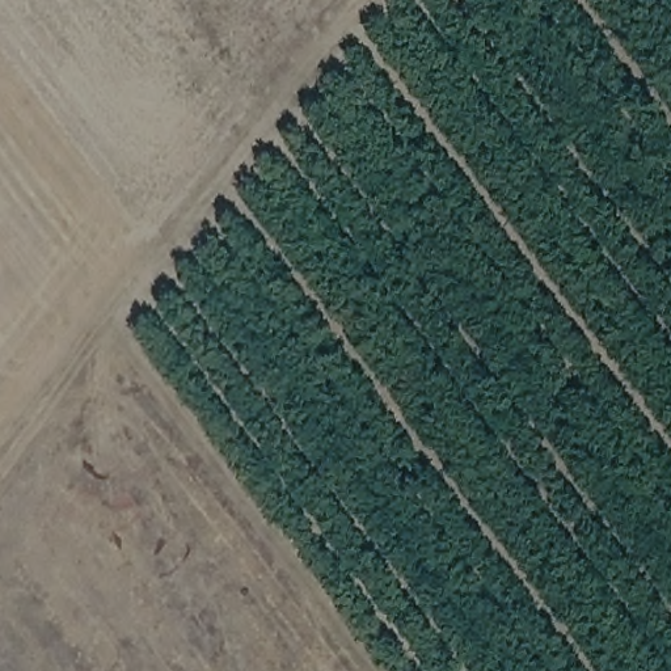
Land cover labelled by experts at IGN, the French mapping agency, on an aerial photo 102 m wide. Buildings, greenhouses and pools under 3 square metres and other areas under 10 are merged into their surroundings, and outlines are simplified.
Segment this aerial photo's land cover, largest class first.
<instances>
[{"label":"deciduous trees","instance_id":"1","mask_svg":"<svg viewBox=\"0 0 671 671\"><path fill-rule=\"evenodd\" d=\"M367 34L377 42L385 60H391L398 68L406 86L425 102L432 121L467 157V163L474 168V173L488 186L493 199L501 204L503 215L516 225L529 249L540 257V265L561 286L571 307L590 322L600 343L621 364L634 388H640V393L645 396L647 406L671 432V126L666 123L661 110L653 107V102L645 105L640 100L637 86L624 84V71L619 68L621 60L613 55L603 31H613L621 39L626 52L642 66L640 79L647 81V89L653 86L655 92H661V97L671 105V0H388V5L380 8V16L364 24ZM346 55L341 60V76H328L320 71L315 86L320 89L322 100L301 107L309 118L307 126L294 123L283 134L288 147L296 152V163H288L283 152L275 160L270 155L254 157L249 165H241L233 176L236 189L244 199L259 215L262 225L270 228V233L286 249L291 262H296L299 273H304L307 280L322 294L325 307H330V312L349 333L351 343L362 351V356L372 364L380 380L391 388L404 417L417 427L419 438L438 451L443 467H448V474H453L456 482L467 490L469 503L480 511V516L493 527L501 543L516 556L522 569L537 585L545 603L550 605V624H556L558 619L569 624V629L574 632V637L579 640V645L585 647L598 671H671V451L666 446L658 448L661 435L650 430L647 419L640 414L624 385L600 362L598 354H592L585 333L574 325L571 317H566L561 304L545 288V283L535 278L529 262L498 225V220L490 215L485 202L472 189L469 178L446 155L435 136L425 131L422 118H417L414 107L393 89L388 73L375 66L370 50L362 42H356L354 47L343 50ZM543 440H550L561 451L569 469L574 472V482H569L556 469L553 459L543 448ZM218 233L207 239L197 259L176 262V273L181 275V280H186L181 294H165L163 299H155L149 304L131 307L128 325L136 341L142 343L157 372L176 388L178 398L199 417L210 443L218 446V451L225 456L228 467L257 501L265 519L278 524L294 540L301 561L322 582L338 613L349 621L354 637L367 645L372 663L385 671H585L574 650L564 655V645L558 642V637H548L543 632V619L537 616L540 608H535L529 592L514 577L511 566L482 537L477 522L469 514H464L456 495L438 474V469H432L427 456L414 451L412 443L398 446L396 435L404 432L401 425H391L393 414L385 409L364 372H351L354 359L346 356L341 341L330 333L315 301L301 294V286L291 278L283 259L267 249L262 233L252 225V220H246L241 212L236 218L215 215L210 225ZM354 577H362L370 585L372 595L380 603V611H385L404 629V637L417 650V658H406L396 634L375 619V611L354 585Z\"/></svg>","mask_w":671,"mask_h":671},{"label":"agricultural land","instance_id":"2","mask_svg":"<svg viewBox=\"0 0 671 671\"><path fill-rule=\"evenodd\" d=\"M388 5V0H0V671H385L372 663L367 645L354 637L349 621L338 613L322 582L301 561L294 540L278 524L265 519L257 501L228 467L225 456L218 451V446L210 443L199 417L178 398L176 388L157 372L142 343L136 341L128 325L131 307L149 304L155 299L152 283L160 275L173 278L176 273V262L173 252L191 249V239L199 233L202 220L210 225L215 215L218 197H225L233 204L244 199L236 189L233 176L241 165H249L254 157L252 149L257 142H270L278 149L288 147L283 134L278 131V118L286 113L288 102L299 94V89L315 86L320 71V63L330 58L333 47L343 37L359 39L367 34L364 24L380 16V8Z\"/></svg>","mask_w":671,"mask_h":671},{"label":"herbaceous vegetation","instance_id":"3","mask_svg":"<svg viewBox=\"0 0 671 671\"><path fill-rule=\"evenodd\" d=\"M613 55L621 60L619 68L624 71V84L637 86L640 100L645 105L653 102V107L661 110L666 123L671 126V105L661 97V92H655L653 86L647 89V81L640 79L642 66L626 52L621 39L613 31H603ZM356 42H362L370 50L375 66L388 73L393 89L414 107L417 118H422L425 131L435 136L446 155L469 178L472 189L485 202L490 215L498 220V225L529 262L535 278L545 283V288L561 304L566 317H571L574 325L585 333L592 354H598L600 362L624 385L640 414L647 419L650 430L661 435L658 448L666 446L671 451V432L647 406L645 396L640 393V388H634L621 364L600 343L590 322L571 307L561 286L540 265V257L529 249L516 225L503 215L501 204L493 199L488 186L474 173V168L467 163V157L432 121L425 102L406 86L398 68L391 60H385L377 42L367 34L359 39L343 37L333 47L330 58L320 63V71L328 76H341V60L346 55L343 50L354 47ZM322 100L320 89L315 86L299 89V94L288 102L286 113L278 118V131L283 134L294 123L307 126L309 118L301 107ZM254 157L270 155L275 160L283 152L288 163H296V152L288 147L278 149L270 142H257L252 149ZM241 212L246 220H252V225L262 233L267 249L283 259L291 278L301 286V294L315 301L330 333L341 341L346 356L354 359L351 372H364L385 409L393 414L391 425H401L404 432L396 435L398 446L412 443L414 451L427 456L432 469H438V474L456 495L464 514H469L477 522L482 537L511 566L514 577L529 592L535 608H540L537 616L543 619V632L548 637H558V642L564 645V655L574 650L585 671H598L585 647L579 645V640L574 637V632L569 629V624L558 619L556 624H550V605L545 603L537 585L522 569L516 556L501 543L493 527L480 516V511L469 503L467 490L456 482L453 474H448V467H443L438 451L419 438L417 427L404 417L391 388L380 380L372 364L362 356V351L351 343L349 333L330 312V307H325L322 294L307 280L304 273H299L296 262H291L286 249L270 233V228L262 225L259 215L244 199L233 204L225 197H218L215 215L236 218ZM218 233L210 225L202 220L199 233L191 239V249L173 252L176 262L197 259L207 239ZM186 280H181V275L176 273L173 278L160 275L152 283L155 299H163L165 294H181ZM543 448L553 459L556 469L569 482H574V472L569 469L561 451L550 440H543ZM354 585L375 611V619L396 634L406 658H417V650L404 637V629L385 611H380V603L372 595L370 585L362 577H354Z\"/></svg>","mask_w":671,"mask_h":671}]
</instances>
